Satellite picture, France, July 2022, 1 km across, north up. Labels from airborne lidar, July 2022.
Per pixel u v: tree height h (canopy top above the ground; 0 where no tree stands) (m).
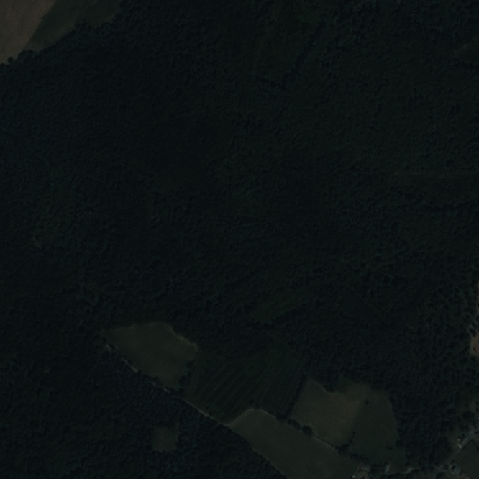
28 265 23
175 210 25
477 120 22
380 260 23
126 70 22
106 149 16
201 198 25
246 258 23
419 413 24
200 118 19
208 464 27
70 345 23
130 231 26
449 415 17
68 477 21
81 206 23
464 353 13
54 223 18
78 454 16
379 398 0
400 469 0
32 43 0
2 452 27
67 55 27
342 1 8
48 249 20
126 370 22
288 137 16
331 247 20
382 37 25
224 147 18
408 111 22
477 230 22
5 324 16
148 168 15
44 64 16
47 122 16
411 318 18
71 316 24
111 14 0
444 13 21
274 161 25
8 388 16
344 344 23
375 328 24
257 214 22
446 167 17
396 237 25
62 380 29
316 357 22
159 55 25
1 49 0
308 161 17
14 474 20
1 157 13
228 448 24
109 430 27
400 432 14
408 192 8
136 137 22
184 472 25
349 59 24
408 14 14
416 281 17
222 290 22
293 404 9
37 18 0
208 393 0
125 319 24
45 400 22
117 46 24
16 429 19
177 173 18
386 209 22
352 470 0
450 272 17
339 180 18
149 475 31
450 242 21
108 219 27
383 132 18
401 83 25
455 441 0
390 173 21
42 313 26
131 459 30
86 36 15
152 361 0
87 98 21
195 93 25
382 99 23
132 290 24
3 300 24
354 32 17
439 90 28
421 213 23
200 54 18
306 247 21
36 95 16
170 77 23
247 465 21
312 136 17
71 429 25
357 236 22
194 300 18
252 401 15
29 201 18
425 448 19
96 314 26
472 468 0
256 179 20
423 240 17
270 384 0
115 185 23
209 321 25
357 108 23
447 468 15
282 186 15
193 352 0
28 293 19
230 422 0
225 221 24
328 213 15
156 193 22
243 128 22
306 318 24
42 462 19
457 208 8
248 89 25
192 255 24
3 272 27
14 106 20
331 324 24
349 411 0
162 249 26
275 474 17
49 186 21
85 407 24
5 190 21
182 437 10
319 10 21
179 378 0
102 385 25
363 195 22
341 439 0
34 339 25
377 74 24
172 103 24
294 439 0
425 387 21
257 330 27
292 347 21
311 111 24
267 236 23
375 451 0
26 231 20
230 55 24
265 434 0
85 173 18
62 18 0
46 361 29
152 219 19
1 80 15
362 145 22
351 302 15
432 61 22
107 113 20
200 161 17
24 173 18
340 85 24
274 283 22
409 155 20
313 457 0
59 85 16
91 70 23
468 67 25
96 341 23
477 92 22
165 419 20
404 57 23
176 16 27
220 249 23
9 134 21
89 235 32
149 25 18
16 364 23
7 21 0
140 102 22
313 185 17
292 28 6
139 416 19
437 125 21
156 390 24
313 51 23
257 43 21
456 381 11
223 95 25
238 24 23
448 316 11
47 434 24
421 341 13
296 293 22
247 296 24
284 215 18
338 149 21
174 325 20
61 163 14
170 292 28
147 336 0
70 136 21
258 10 17
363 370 14
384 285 25
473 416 9
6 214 27
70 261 25
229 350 24
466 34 27
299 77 24
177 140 18
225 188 21
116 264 30
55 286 21
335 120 23
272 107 21
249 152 25
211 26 24
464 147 21
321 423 0
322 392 0
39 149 18
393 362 19
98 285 26
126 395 21
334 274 23
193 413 23
